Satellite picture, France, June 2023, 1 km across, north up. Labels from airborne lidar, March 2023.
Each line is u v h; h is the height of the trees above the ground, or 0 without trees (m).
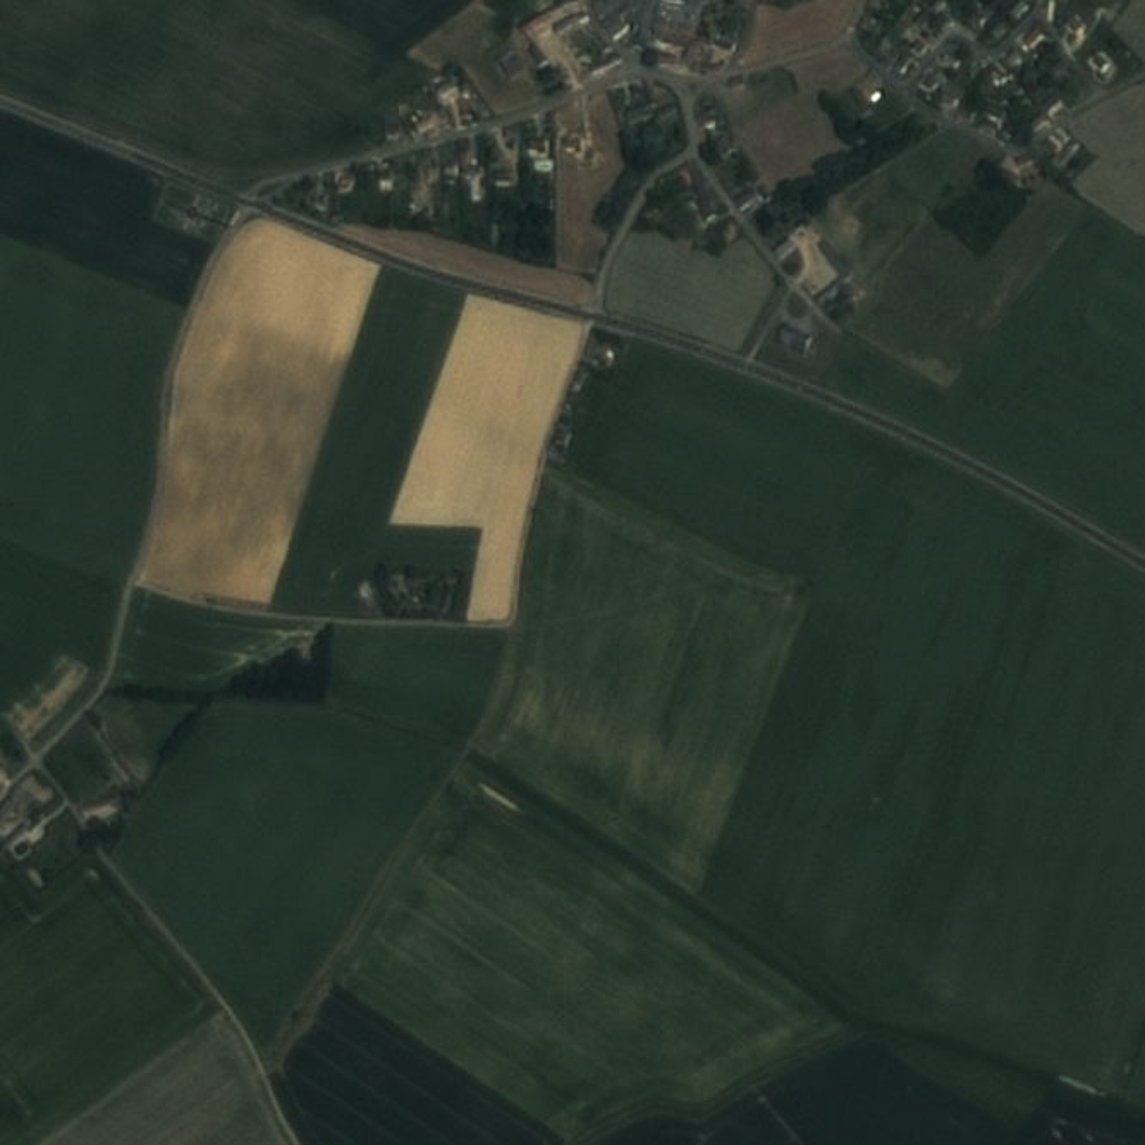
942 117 0
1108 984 0
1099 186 0
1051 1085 0
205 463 0
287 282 0
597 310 0
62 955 0
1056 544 0
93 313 0
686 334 0
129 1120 0
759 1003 0
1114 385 0
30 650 0
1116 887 0
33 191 0
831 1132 0
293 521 0
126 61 0
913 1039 0
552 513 0
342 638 0
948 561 0
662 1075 0
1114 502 0
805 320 0
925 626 0
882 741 0
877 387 0
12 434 0
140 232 0
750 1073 0
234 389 0
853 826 0
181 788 0
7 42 0
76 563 0
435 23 0
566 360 0
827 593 0
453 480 0
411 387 0
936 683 0
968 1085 0
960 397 0
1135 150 0
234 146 0
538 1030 0
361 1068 0
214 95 0
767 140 0
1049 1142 0
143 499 0
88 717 7
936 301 0
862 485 0
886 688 0
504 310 0
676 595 0
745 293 0
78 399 0
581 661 0
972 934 0
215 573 0
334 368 0
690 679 0
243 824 0
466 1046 0
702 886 0
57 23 0
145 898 0
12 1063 0
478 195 0
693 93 0
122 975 0
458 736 0
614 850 0
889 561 0
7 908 0
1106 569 0
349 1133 0
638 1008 0
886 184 0
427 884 0
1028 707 0
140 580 0
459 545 0
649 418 0
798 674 0
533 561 0
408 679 0
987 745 0
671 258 0
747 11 0
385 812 0
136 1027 0
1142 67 0
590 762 0
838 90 0
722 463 0
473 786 0
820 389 0
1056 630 0
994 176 8
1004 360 0
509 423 0
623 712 0
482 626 0
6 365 0
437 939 0
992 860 0
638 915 0
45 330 0
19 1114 0
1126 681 0
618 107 0
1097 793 0
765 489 0
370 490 0
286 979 0
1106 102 0
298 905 0
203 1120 0
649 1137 0
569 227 0
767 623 0
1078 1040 0
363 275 0
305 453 0
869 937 0
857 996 0
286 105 0
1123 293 0
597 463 0
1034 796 0
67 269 0
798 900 0
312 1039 0
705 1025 0
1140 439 0
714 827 0
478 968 0
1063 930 0
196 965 0
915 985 0
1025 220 0
